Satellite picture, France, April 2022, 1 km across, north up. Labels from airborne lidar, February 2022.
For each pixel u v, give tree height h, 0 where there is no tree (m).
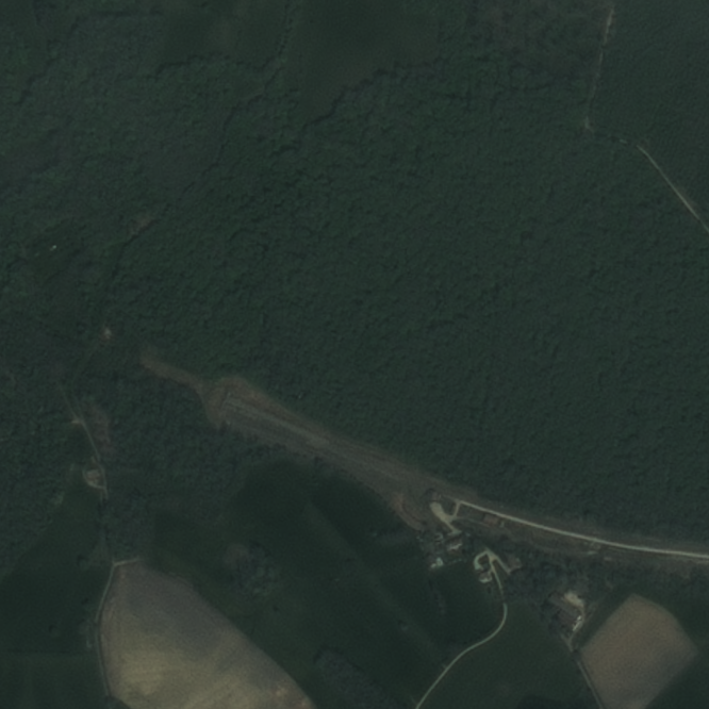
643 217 25
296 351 24
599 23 22
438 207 32
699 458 26
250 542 0
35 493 27
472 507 0
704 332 21
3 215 22
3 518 23
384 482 0
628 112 10
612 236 24
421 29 0
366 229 28
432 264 28
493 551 0
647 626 0
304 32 0
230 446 27
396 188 29
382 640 0
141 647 0
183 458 21
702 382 25
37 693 0
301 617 0
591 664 0
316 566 0
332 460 0
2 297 19
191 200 24
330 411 27
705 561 0
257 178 27
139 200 23
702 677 0
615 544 0
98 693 0
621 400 27
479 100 23
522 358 26
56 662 0
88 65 18
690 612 0
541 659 0
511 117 28
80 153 22
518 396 28
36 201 25
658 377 22
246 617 0
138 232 22
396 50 0
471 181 26
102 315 6
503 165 25
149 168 20
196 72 23
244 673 0
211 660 0
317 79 0
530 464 31
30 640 0
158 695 0
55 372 28
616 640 0
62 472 29
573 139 20
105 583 0
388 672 0
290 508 0
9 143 23
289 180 20
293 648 0
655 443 27
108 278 8
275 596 0
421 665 0
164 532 0
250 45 0
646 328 27
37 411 25
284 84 8
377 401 27
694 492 29
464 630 0
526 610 0
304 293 26
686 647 0
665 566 0
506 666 0
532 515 0
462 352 24
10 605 0
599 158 23
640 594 0
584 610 0
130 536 21
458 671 0
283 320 26
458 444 27
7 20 12
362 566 0
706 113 6
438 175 28
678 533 17
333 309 25
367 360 23
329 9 0
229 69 16
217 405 0
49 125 30
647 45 18
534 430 30
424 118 23
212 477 19
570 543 0
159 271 18
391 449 21
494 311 27
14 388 24
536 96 23
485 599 0
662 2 11
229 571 0
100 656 0
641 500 21
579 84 23
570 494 18
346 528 0
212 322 23
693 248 22
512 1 30
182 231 20
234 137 22
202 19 0
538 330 23
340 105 15
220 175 19
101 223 25
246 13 0
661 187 24
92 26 22
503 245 24
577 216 26
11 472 25
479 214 24
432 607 0
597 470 28
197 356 26
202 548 0
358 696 18
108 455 27
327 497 0
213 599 0
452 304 25
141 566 0
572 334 23
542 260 26
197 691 0
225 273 23
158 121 26
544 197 21
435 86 25
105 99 20
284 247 28
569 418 29
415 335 25
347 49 0
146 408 21
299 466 0
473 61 23
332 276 25
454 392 25
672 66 8
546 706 0
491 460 29
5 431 24
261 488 0
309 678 0
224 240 26
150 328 26
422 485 0
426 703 0
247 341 29
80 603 0
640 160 19
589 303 24
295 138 29
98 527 0
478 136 28
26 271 25
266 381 19
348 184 28
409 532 22
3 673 0
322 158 30
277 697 0
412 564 0
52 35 0
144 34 19
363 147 15
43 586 0
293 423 0
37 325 21
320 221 28
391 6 0
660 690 0
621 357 29
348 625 0
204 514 8
